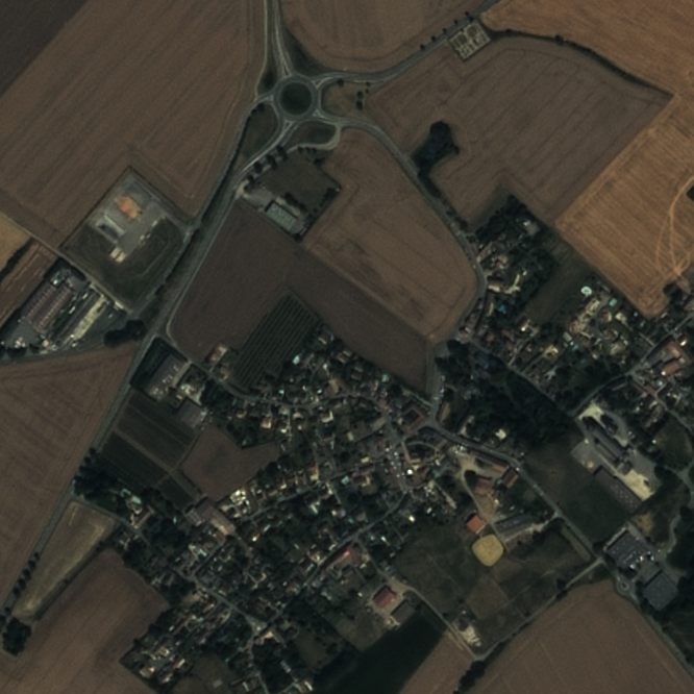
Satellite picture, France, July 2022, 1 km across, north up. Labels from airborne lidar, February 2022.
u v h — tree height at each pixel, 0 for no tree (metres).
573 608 0
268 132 0
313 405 0
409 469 0
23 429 0
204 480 0
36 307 0
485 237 12
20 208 0
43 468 0
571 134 0
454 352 10
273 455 0
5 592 0
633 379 10
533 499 0
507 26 0
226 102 0
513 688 0
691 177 0
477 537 0
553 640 0
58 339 0
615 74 0
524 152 0
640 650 0
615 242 0
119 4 0
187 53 0
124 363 0
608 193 0
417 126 0
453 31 0
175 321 0
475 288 0
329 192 6
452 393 13
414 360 0
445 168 0
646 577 0
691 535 11
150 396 8
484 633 0
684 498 0
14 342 0
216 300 0
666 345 0
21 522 0
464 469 0
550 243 0
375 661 0
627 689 0
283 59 0
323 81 0
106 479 13
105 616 0
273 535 14
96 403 0
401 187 0
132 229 0
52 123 0
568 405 13
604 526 0
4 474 0
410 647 0
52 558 0
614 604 0
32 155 0
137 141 0
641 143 0
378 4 0
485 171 0
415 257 0
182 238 0
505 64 0
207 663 0
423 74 0
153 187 0
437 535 0
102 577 0
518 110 0
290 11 0
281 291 0
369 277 0
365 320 0
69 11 0
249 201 0
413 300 0
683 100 0
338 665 18
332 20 0
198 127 0
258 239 0
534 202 0
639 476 0
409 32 0
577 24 0
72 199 0
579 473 0
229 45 0
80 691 0
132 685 0
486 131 0
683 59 0
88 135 0
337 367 12
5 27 0
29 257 0
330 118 0
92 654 0
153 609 0
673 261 0
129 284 0
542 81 0
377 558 12
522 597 0
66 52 0
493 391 15
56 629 0
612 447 0
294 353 0
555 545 0
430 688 0
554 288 0
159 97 0
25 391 0
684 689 0
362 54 0
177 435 0
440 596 0
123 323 0
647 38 0
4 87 0
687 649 0
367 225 0
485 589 0
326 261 0
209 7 0
